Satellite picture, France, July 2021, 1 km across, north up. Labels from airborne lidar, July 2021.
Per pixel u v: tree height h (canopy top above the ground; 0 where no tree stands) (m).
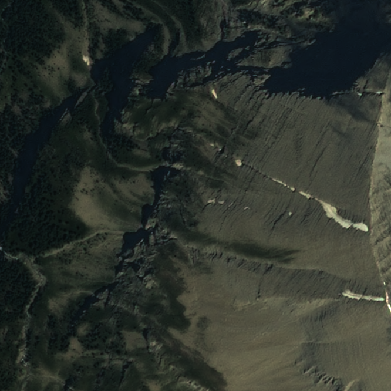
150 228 0
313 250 0
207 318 0
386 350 0
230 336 0
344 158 0
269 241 0
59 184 0
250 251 0
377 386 0
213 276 0
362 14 0
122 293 0
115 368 0
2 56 11
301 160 0
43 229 14
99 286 0
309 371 0
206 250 0
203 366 0
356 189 0
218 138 0
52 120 9
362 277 0
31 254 15
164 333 0
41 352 0
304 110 0
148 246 0
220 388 0
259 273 0
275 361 0
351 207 0
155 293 0
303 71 0
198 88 0
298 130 0
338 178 0
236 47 0
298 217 0
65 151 0
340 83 0
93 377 0
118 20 0
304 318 0
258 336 0
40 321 0
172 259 0
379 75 0
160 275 0
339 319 0
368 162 0
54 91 0
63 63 0
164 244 0
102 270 0
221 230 0
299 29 0
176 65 0
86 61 0
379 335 0
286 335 0
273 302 0
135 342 0
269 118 0
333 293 0
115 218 0
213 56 0
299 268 0
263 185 0
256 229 0
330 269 0
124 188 0
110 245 0
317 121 0
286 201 0
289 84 0
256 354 0
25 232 16
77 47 0
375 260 0
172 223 0
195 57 0
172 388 0
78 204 0
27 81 0
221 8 0
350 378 0
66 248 0
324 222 0
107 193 0
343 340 0
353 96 0
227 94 0
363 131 0
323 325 0
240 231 0
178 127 0
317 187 0
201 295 0
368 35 0
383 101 0
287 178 0
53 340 7
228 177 0
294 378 0
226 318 0
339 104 0
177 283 0
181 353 0
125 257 0
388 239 0
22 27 13
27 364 0
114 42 7
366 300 0
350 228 0
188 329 0
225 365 0
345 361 0
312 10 0
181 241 0
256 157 0
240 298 0
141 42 0
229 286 0
